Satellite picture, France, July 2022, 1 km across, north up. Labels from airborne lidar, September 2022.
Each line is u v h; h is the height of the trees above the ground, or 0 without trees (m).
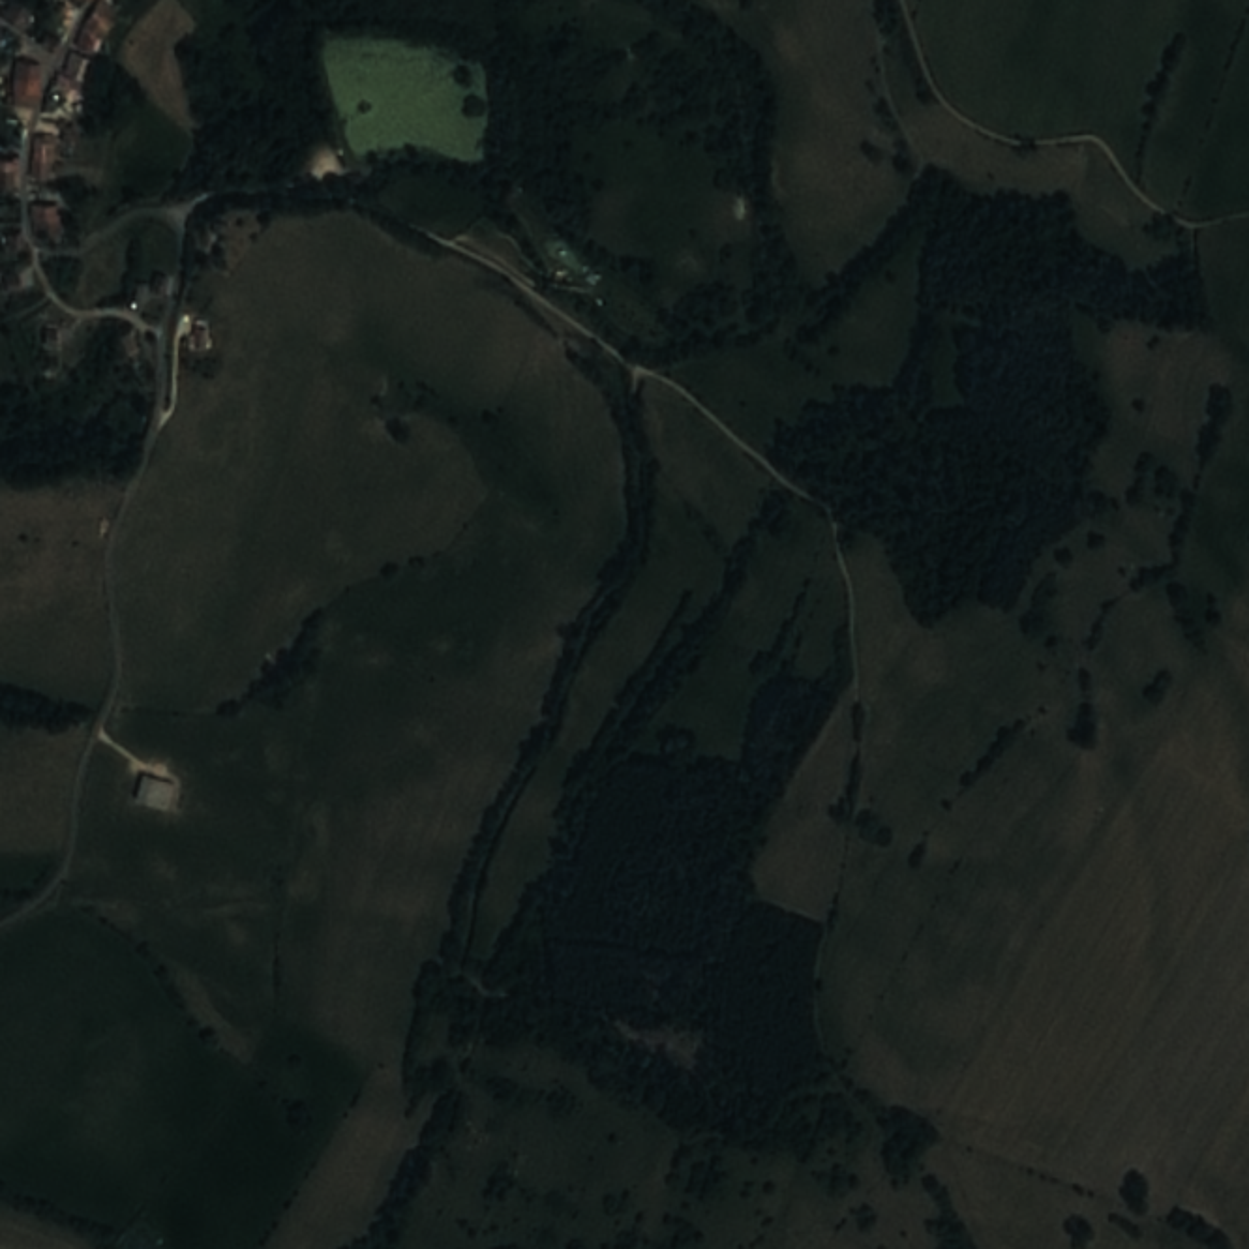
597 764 10
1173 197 0
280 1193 0
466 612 0
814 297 18
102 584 0
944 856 0
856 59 0
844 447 8
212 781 0
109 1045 0
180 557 0
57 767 0
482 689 0
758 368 0
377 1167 0
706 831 14
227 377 0
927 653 0
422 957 0
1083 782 0
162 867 0
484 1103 0
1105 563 0
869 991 0
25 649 0
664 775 15
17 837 0
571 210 16
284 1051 0
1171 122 0
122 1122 0
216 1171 0
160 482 0
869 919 0
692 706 0
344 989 0
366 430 0
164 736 0
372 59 0
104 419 11
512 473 0
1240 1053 0
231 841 0
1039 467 24
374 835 0
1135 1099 0
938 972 0
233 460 0
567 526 0
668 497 0
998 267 16
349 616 0
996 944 0
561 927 16
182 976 0
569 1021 17
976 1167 0
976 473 9
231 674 0
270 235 0
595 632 12
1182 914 0
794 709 21
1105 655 0
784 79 0
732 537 0
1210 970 0
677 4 12
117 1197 0
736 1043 16
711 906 20
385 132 0
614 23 0
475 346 0
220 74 7
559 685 13
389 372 0
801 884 0
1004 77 0
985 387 22
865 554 0
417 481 0
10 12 0
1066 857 0
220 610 0
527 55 6
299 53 15
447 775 0
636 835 15
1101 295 24
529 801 0
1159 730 0
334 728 0
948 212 14
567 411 0
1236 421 0
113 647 0
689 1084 26
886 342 0
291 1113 7
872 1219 10
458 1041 6
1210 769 0
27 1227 0
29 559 0
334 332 0
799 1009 12
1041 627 15
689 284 0
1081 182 0
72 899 0
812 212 0
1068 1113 0
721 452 0
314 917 0
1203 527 0
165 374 0
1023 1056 0
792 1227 0
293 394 0
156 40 0
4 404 10
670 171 0
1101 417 8
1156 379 0
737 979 15
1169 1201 0
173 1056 0
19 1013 0
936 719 0
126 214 0
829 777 0
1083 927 0
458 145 0
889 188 0
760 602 0
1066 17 0
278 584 0
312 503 0
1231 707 0
